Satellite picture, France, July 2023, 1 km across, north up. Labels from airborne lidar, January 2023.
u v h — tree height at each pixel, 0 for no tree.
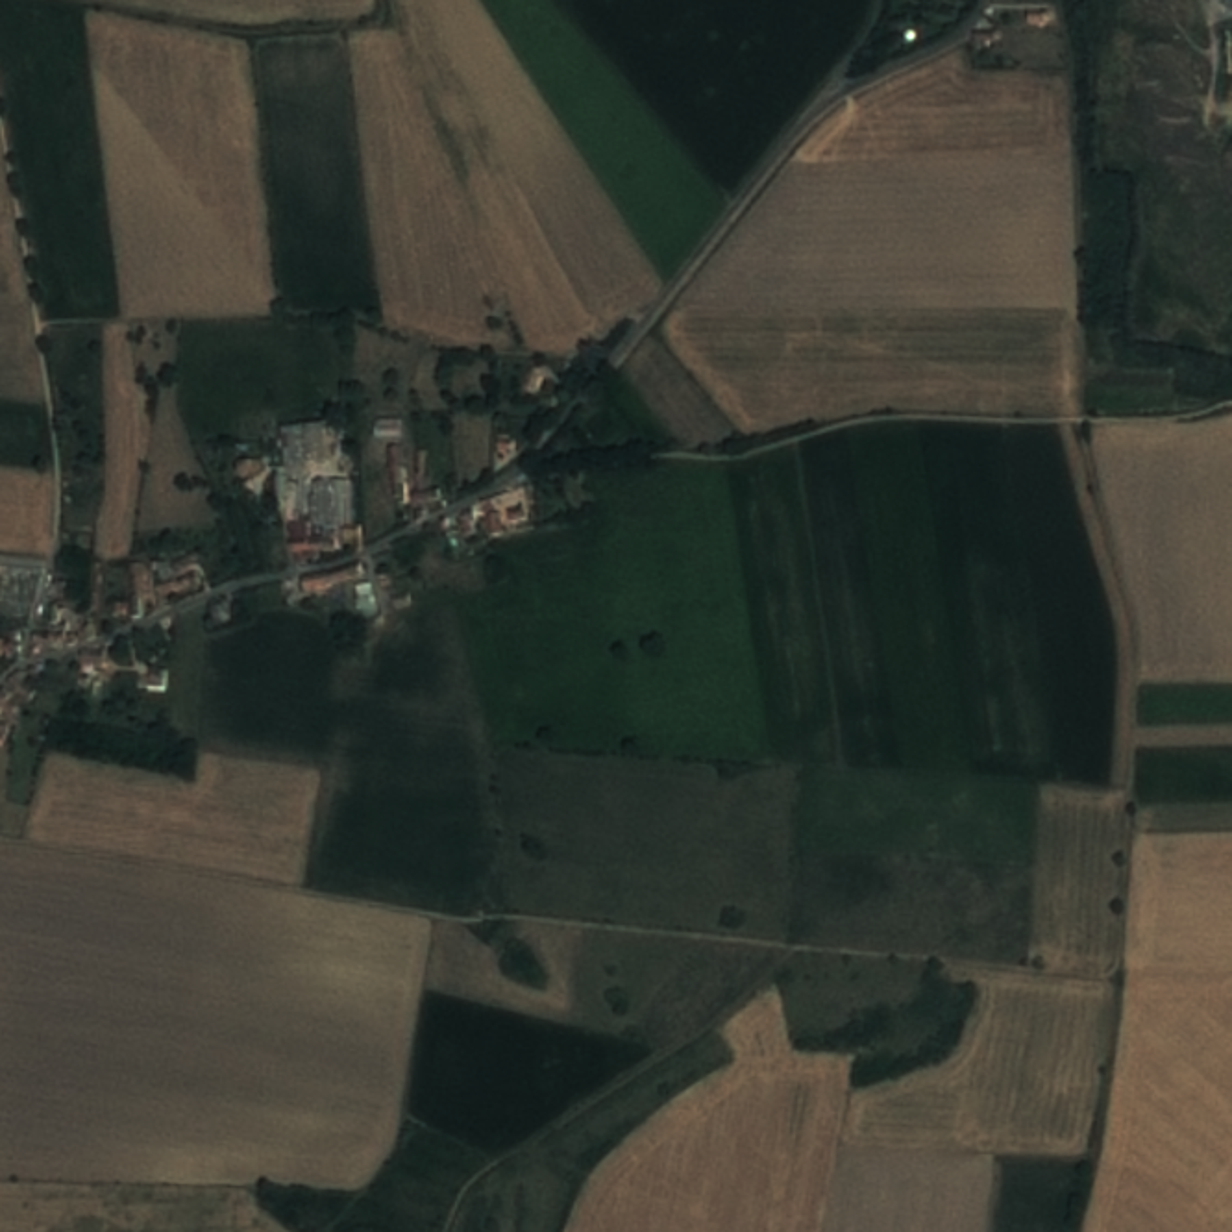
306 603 7
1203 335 0
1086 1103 0
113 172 0
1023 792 0
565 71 0
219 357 0
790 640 0
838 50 0
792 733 0
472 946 0
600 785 0
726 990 0
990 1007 0
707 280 0
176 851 0
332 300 0
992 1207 0
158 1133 0
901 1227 0
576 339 0
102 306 0
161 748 6
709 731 0
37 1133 0
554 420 14
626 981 0
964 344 0
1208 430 0
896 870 0
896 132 0
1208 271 0
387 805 0
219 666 0
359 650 14
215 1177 0
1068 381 0
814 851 0
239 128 0
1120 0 0
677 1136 0
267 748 0
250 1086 0
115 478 0
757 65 0
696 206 0
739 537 0
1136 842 0
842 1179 0
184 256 0
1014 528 0
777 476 0
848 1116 0
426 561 0
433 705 0
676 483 0
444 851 0
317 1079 0
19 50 0
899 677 0
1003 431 0
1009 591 0
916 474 0
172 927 0
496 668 0
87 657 0
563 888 0
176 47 0
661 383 0
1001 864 0
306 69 0
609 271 0
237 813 0
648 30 0
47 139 0
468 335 0
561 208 0
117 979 0
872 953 0
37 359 0
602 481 0
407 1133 6
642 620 0
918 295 0
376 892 0
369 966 0
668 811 0
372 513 0
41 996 0
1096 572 0
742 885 0
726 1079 0
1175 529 0
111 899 0
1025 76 0
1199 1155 0
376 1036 0
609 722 0
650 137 0
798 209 0
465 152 0
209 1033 0
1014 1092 0
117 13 0
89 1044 0
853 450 0
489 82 0
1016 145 0
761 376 0
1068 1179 0
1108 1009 0
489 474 9
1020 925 0
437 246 0
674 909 0
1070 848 0
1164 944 0
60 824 0
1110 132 0
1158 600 0
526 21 0
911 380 0
